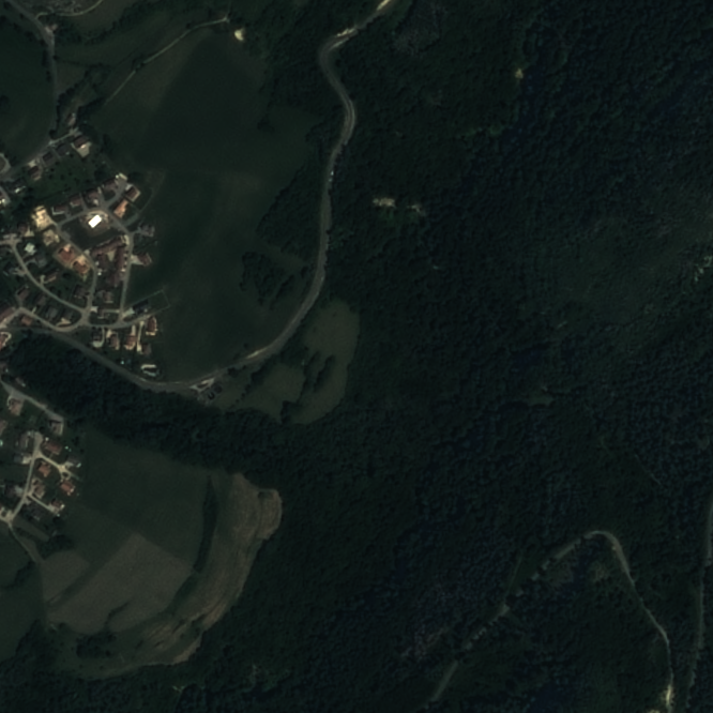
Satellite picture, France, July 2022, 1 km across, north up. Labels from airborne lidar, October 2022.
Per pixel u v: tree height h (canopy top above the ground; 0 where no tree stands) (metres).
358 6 7
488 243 15
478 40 11
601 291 15
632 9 21
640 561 33
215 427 17
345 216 24
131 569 0
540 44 34
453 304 17
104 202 0
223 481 0
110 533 0
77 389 15
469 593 30
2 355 11
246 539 0
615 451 21
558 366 38
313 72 21
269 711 26
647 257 6
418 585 20
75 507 0
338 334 0
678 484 28
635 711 13
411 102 19
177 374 0
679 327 9
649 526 25
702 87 6
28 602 0
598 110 18
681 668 29
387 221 31
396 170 16
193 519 0
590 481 24
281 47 6
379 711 9
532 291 6
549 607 32
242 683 24
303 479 28
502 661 7
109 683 9
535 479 7
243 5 0
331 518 10
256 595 17
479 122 21
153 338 0
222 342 0
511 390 26
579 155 25
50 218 0
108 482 0
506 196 24
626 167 19
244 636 16
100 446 0
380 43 10
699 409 12
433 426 31
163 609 0
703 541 20
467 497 31
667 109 9
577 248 7
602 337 6
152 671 8
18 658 7
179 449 21
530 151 20
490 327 34
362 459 44
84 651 16
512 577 26
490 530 28
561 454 15
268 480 21
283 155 0
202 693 29
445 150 27
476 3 7
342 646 28
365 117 7
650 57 19
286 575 11
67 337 0
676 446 7
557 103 15
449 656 6
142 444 13
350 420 21
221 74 0
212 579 0
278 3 11
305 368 7
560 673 15
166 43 0
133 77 0
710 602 10
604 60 19
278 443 33
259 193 0
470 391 38
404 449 33
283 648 11
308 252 8
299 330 5
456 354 24
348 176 20
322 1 12
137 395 17
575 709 14
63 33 14
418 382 10
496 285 6
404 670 28
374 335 8
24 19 12
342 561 12
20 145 0
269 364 9
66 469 0
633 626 8
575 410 22
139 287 0
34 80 0
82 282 0
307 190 6
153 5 7
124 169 0
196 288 0
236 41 0
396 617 27
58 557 0
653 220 17
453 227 17
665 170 7
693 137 8
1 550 0
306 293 6
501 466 29
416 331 28
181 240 0
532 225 10
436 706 14
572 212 8
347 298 17
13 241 0
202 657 13
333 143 16
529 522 10
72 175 7
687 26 24
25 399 0
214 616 0
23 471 0
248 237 0
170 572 0
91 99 0
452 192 30
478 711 30
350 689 27
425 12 21
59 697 7
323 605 11
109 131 0
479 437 33
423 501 33
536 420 21
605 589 19
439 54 11
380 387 11
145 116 0
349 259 23
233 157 0
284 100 10
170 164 0
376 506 14
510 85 24
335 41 0
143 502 0
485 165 35
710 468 25
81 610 0
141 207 0
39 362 17
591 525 26
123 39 0
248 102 0
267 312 0
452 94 16
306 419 0
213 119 0
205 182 0
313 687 30
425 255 19
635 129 16
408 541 36
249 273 9
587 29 14
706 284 6
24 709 10
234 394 0
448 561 17
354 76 17
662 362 32
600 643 27
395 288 17
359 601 28
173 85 0
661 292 6
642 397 30
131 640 0
